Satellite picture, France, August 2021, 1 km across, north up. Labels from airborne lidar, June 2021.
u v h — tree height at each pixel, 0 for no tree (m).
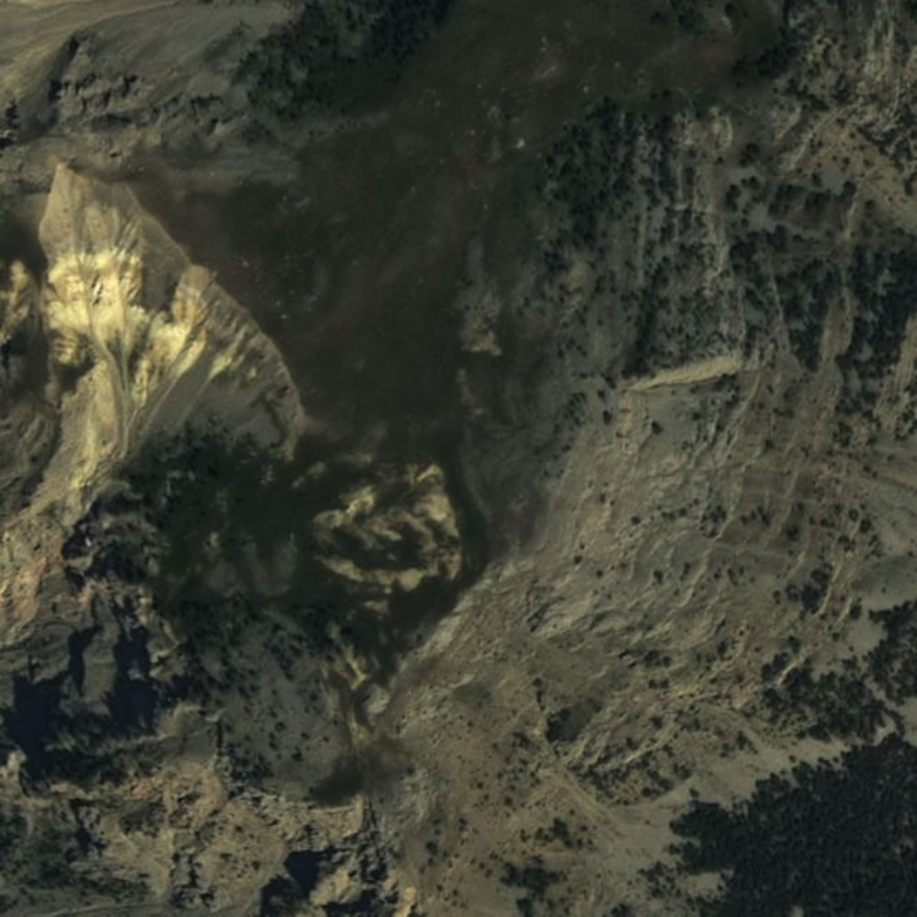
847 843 9
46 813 0
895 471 0
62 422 0
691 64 0
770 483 0
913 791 15
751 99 0
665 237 11
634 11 0
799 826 17
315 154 0
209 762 0
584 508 0
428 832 0
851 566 0
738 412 0
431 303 0
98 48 0
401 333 0
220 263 0
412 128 0
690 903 9
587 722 0
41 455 0
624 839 0
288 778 0
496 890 0
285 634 0
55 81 0
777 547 0
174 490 6
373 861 0
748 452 0
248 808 0
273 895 0
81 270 0
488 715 0
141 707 0
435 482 0
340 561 0
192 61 0
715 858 15
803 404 0
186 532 0
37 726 0
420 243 0
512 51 0
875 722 10
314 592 0
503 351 0
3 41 0
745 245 11
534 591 0
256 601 0
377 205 0
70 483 0
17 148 0
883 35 0
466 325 0
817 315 9
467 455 0
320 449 0
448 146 0
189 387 0
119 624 0
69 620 0
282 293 0
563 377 0
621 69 0
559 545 0
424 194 0
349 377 0
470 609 0
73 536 0
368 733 0
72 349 0
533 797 0
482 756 0
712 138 0
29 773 0
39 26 0
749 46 0
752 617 0
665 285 10
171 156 0
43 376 0
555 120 0
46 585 0
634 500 0
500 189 0
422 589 0
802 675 10
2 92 0
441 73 0
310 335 0
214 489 0
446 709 0
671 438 0
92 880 13
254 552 0
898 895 16
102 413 0
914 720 0
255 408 0
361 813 0
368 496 0
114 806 6
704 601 0
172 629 0
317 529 0
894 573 0
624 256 0
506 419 0
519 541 0
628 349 0
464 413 0
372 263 0
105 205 0
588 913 0
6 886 0
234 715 0
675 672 0
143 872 0
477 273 0
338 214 0
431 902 0
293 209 0
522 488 0
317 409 0
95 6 0
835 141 0
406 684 0
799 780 11
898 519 0
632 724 0
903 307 12
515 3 0
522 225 0
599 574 7
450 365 0
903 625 9
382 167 0
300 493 0
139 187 0
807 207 8
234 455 0
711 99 0
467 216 0
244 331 0
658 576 7
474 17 0
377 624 0
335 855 0
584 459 0
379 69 0
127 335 0
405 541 0
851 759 12
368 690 0
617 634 0
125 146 0
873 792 13
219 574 0
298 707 0
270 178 0
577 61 0
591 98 0
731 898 9
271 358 0
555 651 0
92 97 0
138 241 0
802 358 8
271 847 0
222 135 0
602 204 7
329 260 0
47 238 0
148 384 0
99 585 0
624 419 0
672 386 0
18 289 0
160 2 0
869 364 7
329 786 0
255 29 0
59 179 0
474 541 0
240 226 0
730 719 0
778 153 0
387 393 0
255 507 0
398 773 0
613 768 10
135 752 0
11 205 0
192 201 0
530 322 0
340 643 0
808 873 15
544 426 0
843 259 0
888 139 6
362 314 0
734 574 10
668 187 8
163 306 0
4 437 0
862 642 0
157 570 0
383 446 0
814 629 0
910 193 11
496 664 0
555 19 0
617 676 0
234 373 0
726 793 0
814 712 8
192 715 0
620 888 0
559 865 0
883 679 8
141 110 0
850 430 7
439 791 0
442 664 0
